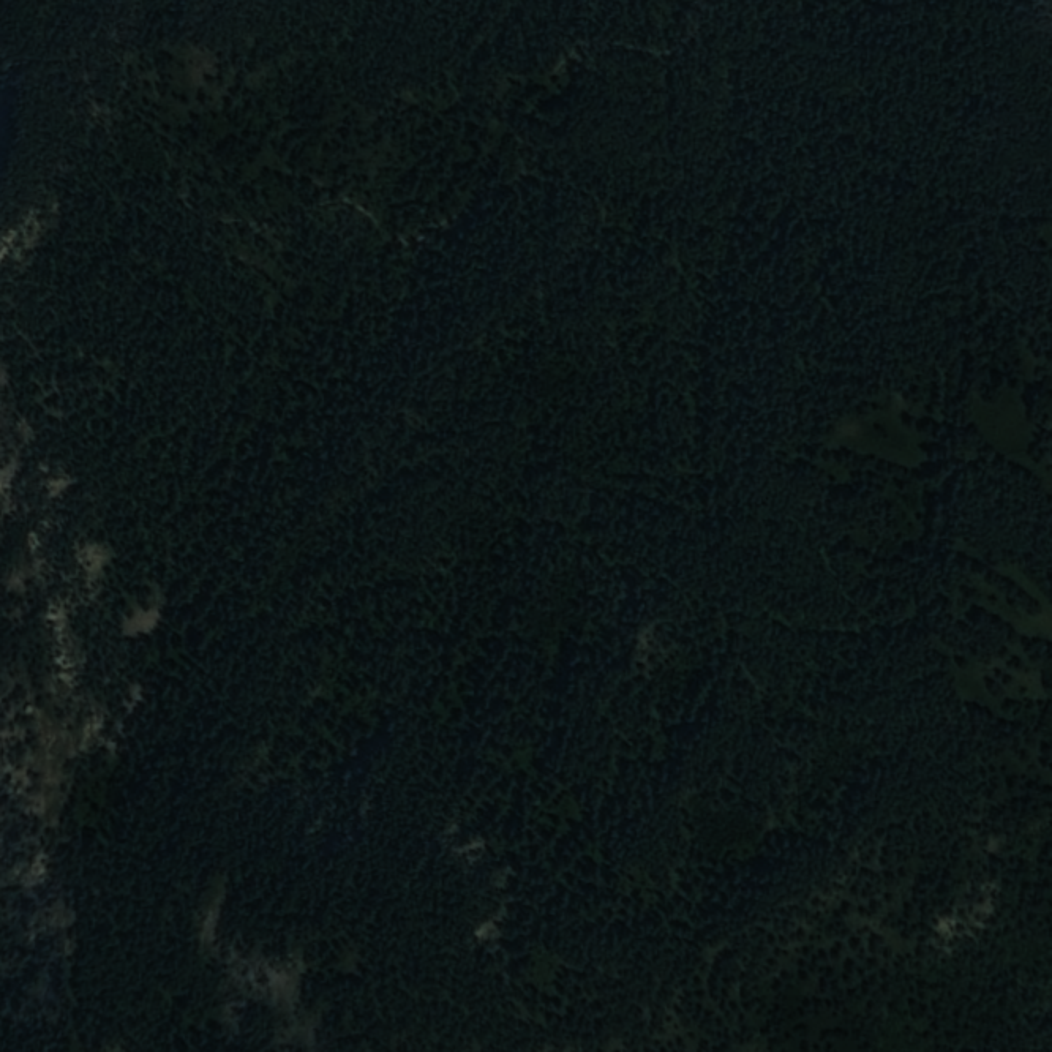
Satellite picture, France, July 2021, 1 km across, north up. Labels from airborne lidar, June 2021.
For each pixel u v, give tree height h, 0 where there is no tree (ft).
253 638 89
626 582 23
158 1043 78
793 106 98
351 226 45
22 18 63
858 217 68
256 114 55
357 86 49
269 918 66
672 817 75
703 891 94
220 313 86
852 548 85
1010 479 73
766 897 58
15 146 43
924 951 54
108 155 55
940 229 95
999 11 77
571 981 56
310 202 74
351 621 93
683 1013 60
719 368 115
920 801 51
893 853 48
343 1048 57
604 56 95
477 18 73
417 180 78
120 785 25
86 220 72
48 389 63
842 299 101
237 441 30
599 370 33
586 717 77
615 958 63
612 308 71
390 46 74
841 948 48
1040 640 43
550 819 21
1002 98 59
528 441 40
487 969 83
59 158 49
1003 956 48
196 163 26
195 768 82
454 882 54
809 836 31
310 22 82
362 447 73
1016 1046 79
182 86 0
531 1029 57
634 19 71
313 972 33
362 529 73
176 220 81
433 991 48
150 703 81
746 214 97
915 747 70
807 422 60
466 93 40
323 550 26
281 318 58
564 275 65
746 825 33
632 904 79
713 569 83
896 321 78
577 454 32
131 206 68
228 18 47
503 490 51
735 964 60
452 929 64
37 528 35
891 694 70
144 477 69
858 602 87
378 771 53
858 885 53
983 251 58
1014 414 0
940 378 74
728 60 96
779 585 82
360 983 82
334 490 70
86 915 56
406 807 29
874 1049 35
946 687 72
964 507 56
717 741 75
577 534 28
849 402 71
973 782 57
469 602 67
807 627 30
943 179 71
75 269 84
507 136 19
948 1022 56
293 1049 27
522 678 110
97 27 54
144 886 66
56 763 0
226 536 73
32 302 52
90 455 60
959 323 88
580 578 30
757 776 71
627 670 77
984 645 73
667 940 88
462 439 84
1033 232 63
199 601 25
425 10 77
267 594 33
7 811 30
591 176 75
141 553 73
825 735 22
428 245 28
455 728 28
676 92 73
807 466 73
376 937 62
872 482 66
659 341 62
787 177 79
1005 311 31
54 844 30
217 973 37
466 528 43
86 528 66
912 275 82
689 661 27
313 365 59
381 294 44
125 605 74
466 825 26
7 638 53
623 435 20
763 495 83
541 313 23
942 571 60
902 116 78
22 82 34
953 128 75
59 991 25
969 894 32
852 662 84
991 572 82
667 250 76
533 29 84
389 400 60
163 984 64
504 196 85
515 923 50
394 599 89
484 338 25
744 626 65
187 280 77
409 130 21
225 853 55
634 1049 37
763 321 95
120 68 47
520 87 47
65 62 40
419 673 91
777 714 26
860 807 74
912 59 72
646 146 74
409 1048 45
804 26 74
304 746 98
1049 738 28
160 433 28
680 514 98
